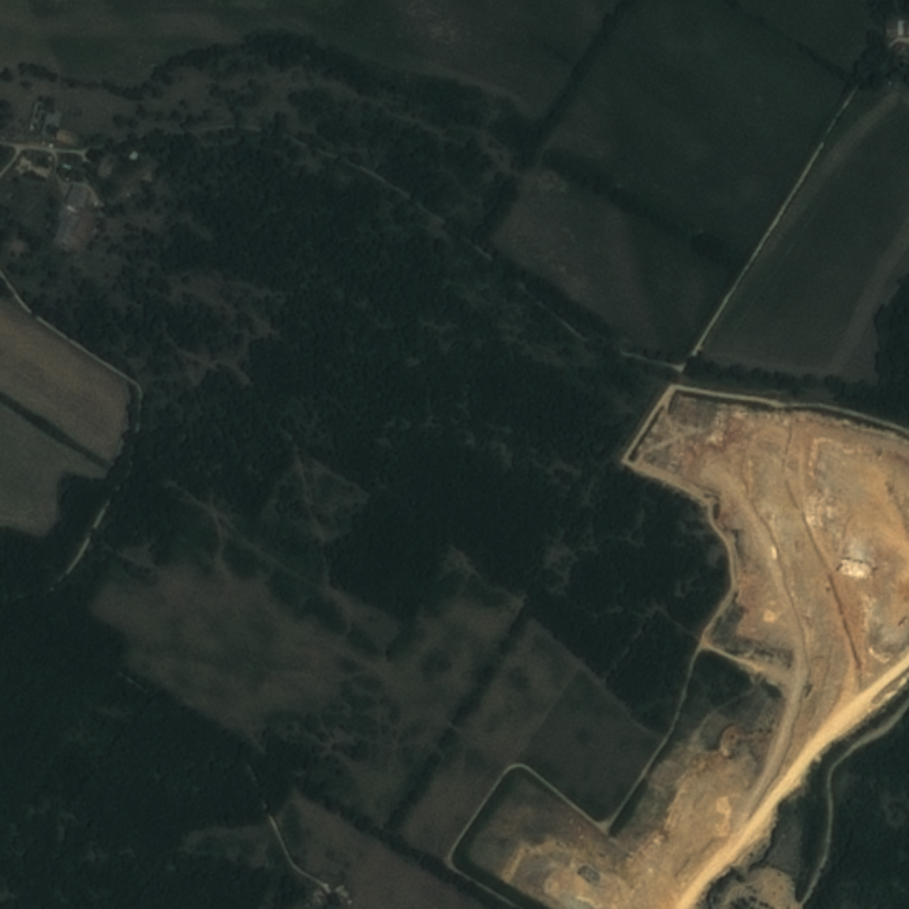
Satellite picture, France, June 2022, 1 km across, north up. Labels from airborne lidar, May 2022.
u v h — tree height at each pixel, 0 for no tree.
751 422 0
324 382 12
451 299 10
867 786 6
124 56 0
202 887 13
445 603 0
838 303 0
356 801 0
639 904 0
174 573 0
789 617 0
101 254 0
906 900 8
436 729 0
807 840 6
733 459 0
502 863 0
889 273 0
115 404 0
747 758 0
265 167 12
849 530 0
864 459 0
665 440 0
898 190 0
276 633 0
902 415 9
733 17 0
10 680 13
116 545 10
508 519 12
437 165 7
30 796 10
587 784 0
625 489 7
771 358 0
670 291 0
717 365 10
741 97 0
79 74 0
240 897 12
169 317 13
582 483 7
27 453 0
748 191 0
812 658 0
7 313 0
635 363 11
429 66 0
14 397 0
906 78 13
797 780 0
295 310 8
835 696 0
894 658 0
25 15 0
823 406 0
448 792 0
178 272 11
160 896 14
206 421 11
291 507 7
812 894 7
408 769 0
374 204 6
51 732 13
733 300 0
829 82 0
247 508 8
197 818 12
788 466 0
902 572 0
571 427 12
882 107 0
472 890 13
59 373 0
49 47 0
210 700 0
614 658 11
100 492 13
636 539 10
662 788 0
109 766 12
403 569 10
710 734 0
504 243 0
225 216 14
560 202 0
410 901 0
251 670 0
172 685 0
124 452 10
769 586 0
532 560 10
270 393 11
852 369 0
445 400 6
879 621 0
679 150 0
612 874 0
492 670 10
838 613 0
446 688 0
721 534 0
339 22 0
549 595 9
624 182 0
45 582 12
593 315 8
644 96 0
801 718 0
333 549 10
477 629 0
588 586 10
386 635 0
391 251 11
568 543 9
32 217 0
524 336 7
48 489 0
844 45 0
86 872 7
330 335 12
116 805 11
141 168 11
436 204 8
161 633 0
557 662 0
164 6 0
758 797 0
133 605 0
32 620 12
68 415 0
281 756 12
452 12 0
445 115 6
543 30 0
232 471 11
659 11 0
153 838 13
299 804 0
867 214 0
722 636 0
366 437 10
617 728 0
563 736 0
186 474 9
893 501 0
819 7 0
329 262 7
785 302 0
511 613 0
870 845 6
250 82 8
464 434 7
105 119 0
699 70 0
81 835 11
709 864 0
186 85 0
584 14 0
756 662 0
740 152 0
